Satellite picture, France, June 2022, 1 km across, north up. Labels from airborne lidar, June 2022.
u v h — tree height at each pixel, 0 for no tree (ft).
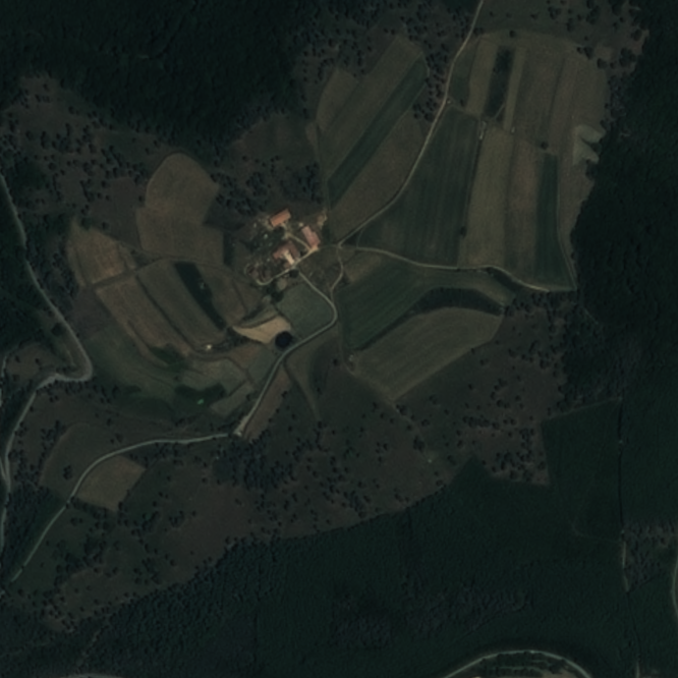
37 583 0
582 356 43
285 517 0
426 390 0
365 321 0
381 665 55
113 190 0
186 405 0
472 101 0
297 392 0
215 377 0
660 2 56
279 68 65
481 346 0
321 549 48
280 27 44
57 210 0
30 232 24
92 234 0
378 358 0
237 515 0
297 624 59
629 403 44
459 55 0
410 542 41
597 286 45
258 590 77
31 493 28
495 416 0
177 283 0
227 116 42
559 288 0
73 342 0
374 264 0
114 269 0
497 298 0
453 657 57
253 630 45
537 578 59
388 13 0
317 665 51
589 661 40
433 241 0
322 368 0
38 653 30
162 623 71
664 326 93
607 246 34
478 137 0
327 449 27
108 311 0
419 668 53
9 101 30
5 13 69
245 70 53
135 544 0
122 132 0
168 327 0
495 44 0
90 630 35
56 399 31
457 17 41
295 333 0
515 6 0
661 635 54
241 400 0
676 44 76
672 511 58
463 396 0
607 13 0
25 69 39
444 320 0
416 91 0
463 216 0
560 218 0
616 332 22
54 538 0
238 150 0
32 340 45
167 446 33
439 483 29
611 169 49
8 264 52
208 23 37
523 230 0
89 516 0
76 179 0
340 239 0
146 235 0
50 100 44
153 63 78
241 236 0
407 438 0
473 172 0
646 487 59
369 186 0
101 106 46
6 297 26
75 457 0
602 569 65
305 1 56
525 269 0
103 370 0
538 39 0
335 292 0
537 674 41
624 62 34
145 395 0
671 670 30
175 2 73
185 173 0
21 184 37
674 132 79
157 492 0
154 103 42
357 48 19
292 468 33
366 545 51
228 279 0
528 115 0
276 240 0
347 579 54
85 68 56
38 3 73
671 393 60
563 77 0
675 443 59
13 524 28
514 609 52
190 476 0
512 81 0
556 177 0
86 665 44
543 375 0
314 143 0
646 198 68
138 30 80
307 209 0
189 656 41
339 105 0
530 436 49
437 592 45
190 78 83
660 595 65
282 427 0
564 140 0
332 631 39
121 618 49
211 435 0
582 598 61
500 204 0
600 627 56
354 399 0
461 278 0
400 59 0
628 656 42
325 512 0
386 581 63
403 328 0
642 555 44
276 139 0
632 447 48
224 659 44
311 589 49
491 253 0
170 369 0
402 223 0
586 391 59
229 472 0
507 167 0
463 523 58
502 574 61
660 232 79
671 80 68
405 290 0
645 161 74
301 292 0
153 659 41
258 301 0
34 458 0
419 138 0
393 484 0
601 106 0
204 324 0
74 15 83
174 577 0
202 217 0
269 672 54
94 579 0
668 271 75
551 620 66
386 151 0
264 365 0
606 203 53
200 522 0
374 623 68
